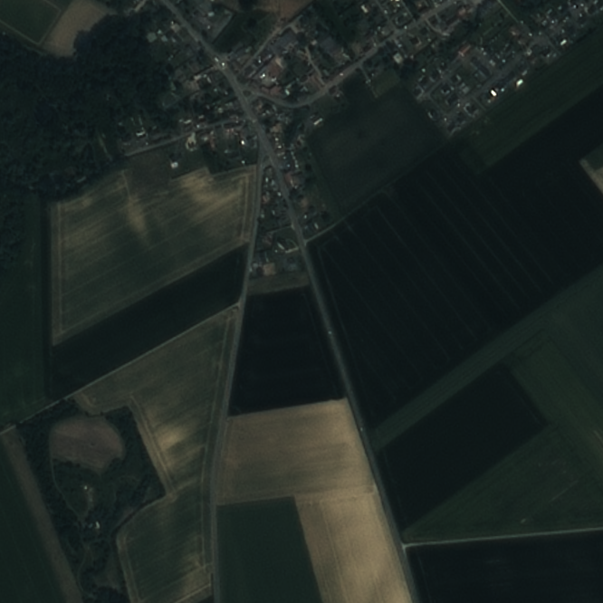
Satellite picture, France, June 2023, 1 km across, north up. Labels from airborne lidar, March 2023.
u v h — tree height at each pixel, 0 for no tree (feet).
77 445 0
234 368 0
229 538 0
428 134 0
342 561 0
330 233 0
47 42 0
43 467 28
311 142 0
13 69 78
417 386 0
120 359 0
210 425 0
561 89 0
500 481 0
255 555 0
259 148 0
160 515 0
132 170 0
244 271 0
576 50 0
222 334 0
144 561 0
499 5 0
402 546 0
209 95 23
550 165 0
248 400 0
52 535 0
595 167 0
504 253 0
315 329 0
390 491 0
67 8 0
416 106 0
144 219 0
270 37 0
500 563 0
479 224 0
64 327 0
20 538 0
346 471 0
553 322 0
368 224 0
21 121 0
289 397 0
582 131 0
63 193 33
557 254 0
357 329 0
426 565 0
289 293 0
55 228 0
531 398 0
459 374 0
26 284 0
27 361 0
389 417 0
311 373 0
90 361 0
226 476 0
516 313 0
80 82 43
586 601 0
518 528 0
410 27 0
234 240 0
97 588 18
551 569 0
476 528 0
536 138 0
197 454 0
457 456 0
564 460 0
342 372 0
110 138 0
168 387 0
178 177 0
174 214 0
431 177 0
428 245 0
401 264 0
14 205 26
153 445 0
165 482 0
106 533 22
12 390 0
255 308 0
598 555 0
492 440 0
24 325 0
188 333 0
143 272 0
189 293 0
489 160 0
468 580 0
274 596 0
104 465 0
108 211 0
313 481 0
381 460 0
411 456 0
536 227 0
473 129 0
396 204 0
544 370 0
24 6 0
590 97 0
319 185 0
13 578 0
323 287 0
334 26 43
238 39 0
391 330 0
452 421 0
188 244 0
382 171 0
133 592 0
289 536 0
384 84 0
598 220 0
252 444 0
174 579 0
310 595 0
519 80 0
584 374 0
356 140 0
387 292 0
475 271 0
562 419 0
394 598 0
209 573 0
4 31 0
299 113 39
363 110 0
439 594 0
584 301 0
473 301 0
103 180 0
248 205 0
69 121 19
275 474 0
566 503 0
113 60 44
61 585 0
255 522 0
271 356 0
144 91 64
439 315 0
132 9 0
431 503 0
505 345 0
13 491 0
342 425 0
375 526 0
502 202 0
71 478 0
